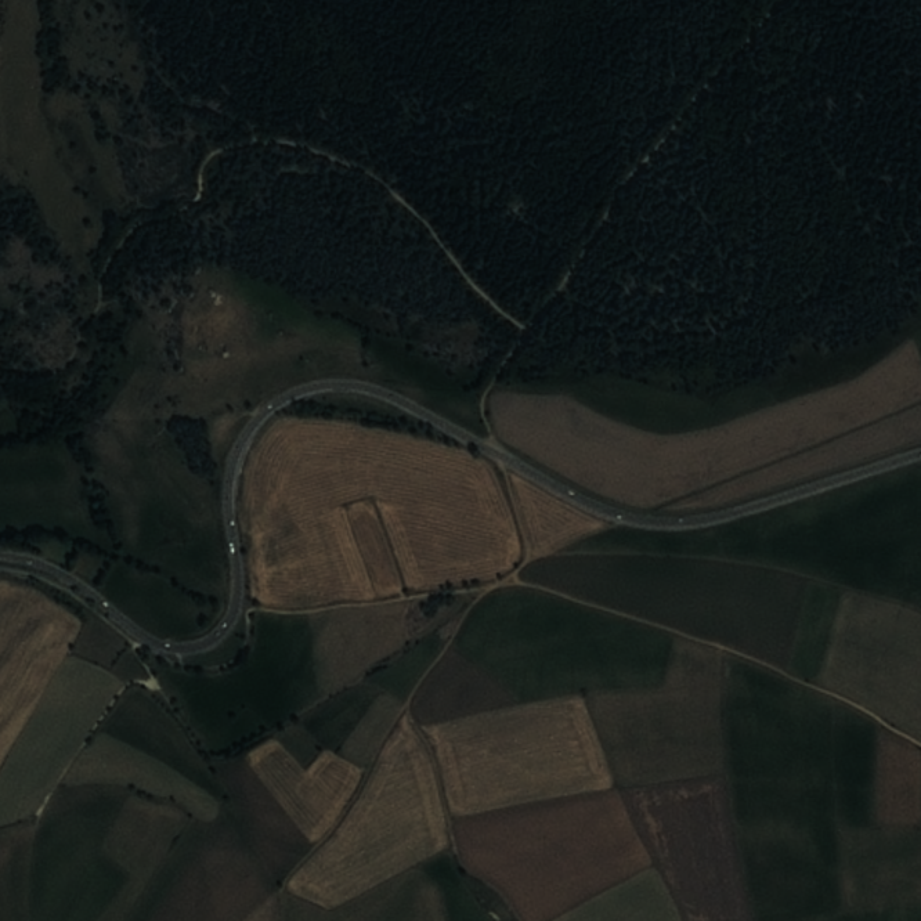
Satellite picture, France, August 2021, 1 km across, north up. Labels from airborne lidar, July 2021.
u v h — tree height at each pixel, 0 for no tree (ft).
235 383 0
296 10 52
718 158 62
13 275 0
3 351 23
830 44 54
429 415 0
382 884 0
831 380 0
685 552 0
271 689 0
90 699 0
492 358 43
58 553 0
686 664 0
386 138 54
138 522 0
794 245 53
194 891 0
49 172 0
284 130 55
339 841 0
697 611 0
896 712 0
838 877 0
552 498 0
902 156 58
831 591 0
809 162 38
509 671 0
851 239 41
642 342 35
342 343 0
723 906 0
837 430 0
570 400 0
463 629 0
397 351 0
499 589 0
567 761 0
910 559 0
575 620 0
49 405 36
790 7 64
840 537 0
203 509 0
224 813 0
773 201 47
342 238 51
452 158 64
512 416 0
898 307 53
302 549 0
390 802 0
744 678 0
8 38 0
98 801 0
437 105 76
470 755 0
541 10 51
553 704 0
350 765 0
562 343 28
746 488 0
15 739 0
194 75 51
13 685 0
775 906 0
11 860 0
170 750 0
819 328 56
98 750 0
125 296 41
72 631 0
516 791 0
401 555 0
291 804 0
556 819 0
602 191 73
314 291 45
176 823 0
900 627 0
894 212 52
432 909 0
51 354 0
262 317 0
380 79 64
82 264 0
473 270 51
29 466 0
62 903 0
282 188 37
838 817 0
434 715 0
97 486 34
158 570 34
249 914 0
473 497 0
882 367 0
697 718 0
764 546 0
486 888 0
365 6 50
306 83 55
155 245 48
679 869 0
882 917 0
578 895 0
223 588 0
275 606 0
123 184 0
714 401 0
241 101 56
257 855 0
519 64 55
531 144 59
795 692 0
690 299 64
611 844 0
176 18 56
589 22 51
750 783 0
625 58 41
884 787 0
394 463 0
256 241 34
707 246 74
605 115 56
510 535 0
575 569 0
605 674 0
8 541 41
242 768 0
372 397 0
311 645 0
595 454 0
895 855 0
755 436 0
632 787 0
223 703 0
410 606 0
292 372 0
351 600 0
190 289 24
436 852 0
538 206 36
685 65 76
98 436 0
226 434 0
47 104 0
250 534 0
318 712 0
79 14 0
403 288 41
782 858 0
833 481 0
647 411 0
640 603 0
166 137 41
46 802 0
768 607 0
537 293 52
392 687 0
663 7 76
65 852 0
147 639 0
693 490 0
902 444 0
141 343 0
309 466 0
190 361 0
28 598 0
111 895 0
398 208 21
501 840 0
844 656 0
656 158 48
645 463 0
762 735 0
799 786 0
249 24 55
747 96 50
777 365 51
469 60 55
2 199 29
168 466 0
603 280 43
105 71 0
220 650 0
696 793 0
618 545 0
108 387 0
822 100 60
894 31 65
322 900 0
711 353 22
